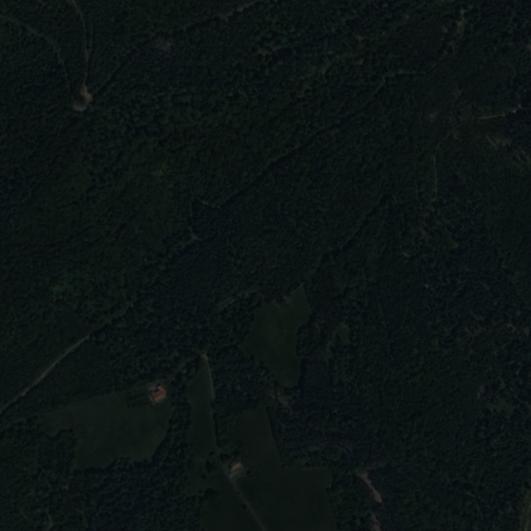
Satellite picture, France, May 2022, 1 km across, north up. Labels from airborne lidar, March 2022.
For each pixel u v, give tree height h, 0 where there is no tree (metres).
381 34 16
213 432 0
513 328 8
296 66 31
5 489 14
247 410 15
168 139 17
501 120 6
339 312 28
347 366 24
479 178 9
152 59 22
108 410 0
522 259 8
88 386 10
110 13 9
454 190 28
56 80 13
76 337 9
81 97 10
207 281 18
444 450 9
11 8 8
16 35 8
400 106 13
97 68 11
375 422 22
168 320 27
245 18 18
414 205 13
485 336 10
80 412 0
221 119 9
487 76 9
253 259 19
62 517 22
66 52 12
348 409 34
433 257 6
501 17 24
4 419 15
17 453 10
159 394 0
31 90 13
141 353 20
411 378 9
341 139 17
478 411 6
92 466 0
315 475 0
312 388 30
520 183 8
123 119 37
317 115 21
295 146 17
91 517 27
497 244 8
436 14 8
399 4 19
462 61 13
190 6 14
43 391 11
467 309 24
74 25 7
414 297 15
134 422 0
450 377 13
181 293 29
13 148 13
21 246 13
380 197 10
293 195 20
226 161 12
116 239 16
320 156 20
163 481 24
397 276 14
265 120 11
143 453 0
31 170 12
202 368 12
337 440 25
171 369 10
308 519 0
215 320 16
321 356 22
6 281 19
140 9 12
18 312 11
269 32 17
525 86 29
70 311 9
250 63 15
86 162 22
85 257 10
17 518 7
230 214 21
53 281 13
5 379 12
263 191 22
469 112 8
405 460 22
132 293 9
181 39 19
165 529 9
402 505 19
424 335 20
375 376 17
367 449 22
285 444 14
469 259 30
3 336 12
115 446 0
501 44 11
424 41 9
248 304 16
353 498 25
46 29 8
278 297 10
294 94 14
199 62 23
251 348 0
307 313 0
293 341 0
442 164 10
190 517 14
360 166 16
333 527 0
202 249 22
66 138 11
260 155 19
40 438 17
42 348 8
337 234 13
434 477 18
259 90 26
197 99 27
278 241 20
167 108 30
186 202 18
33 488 8
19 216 9
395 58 15
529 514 0
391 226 25
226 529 0
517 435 13
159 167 17
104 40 10
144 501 25
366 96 22
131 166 21
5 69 9
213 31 20
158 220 15
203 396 0
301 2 14
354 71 8
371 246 26
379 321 16
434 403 8
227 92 21
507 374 14
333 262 15
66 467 26
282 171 24
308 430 18
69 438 19
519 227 6
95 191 14
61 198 12
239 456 11
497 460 14
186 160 20
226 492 0
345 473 20
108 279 16
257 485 0
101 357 12
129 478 26
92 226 15
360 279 27
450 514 16
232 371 16
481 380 9
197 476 0
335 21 30
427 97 7
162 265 28
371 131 14
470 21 25
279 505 0
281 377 0
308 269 19
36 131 10
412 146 10
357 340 23
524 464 21
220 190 15
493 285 29
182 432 16
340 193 13
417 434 21
